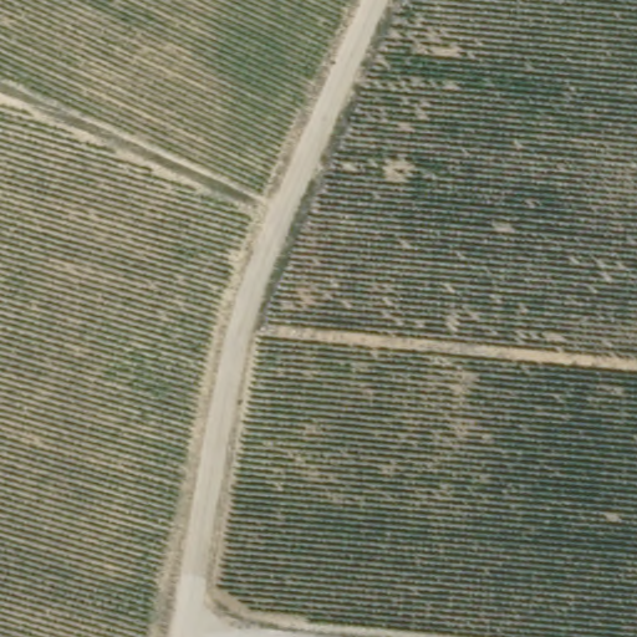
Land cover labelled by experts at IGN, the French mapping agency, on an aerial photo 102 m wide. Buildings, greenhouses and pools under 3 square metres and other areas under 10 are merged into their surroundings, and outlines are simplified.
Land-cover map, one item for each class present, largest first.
<instances>
[{"label":"vineyard","instance_id":"1","mask_svg":"<svg viewBox=\"0 0 637 637\"><path fill-rule=\"evenodd\" d=\"M358 0H0V637H169L192 500L197 488L199 455L236 294L254 259L256 231L266 219L271 197L279 192L284 174L289 172L294 149L311 114V105L319 100L323 90L326 72L336 60L333 55L338 40L353 17ZM254 323L637 358V0H388L386 12L378 20L366 57L361 62V75L353 85L351 100L341 109L328 137V144L321 154V174L311 177L296 207L286 241L266 281L264 299L259 304ZM219 590L236 597L251 612L291 615L316 625L381 627L450 637H637V371L537 363L450 351L326 343L281 336H264L259 341V358L251 381L246 433L239 455V473L234 485Z\"/></svg>","mask_w":637,"mask_h":637},{"label":"impervious surface","instance_id":"2","mask_svg":"<svg viewBox=\"0 0 637 637\"><path fill-rule=\"evenodd\" d=\"M388 0H358L353 17L338 40L333 55L336 60L326 72L323 90L319 100L311 105V114L294 149L289 172L284 174L279 192L271 197L266 219L256 231L254 259L236 294L199 455L197 488L192 500L169 637H309L256 627H231L226 617H219L214 612V605L207 597L204 575L212 545L214 510L221 490L236 386L244 366L246 341L254 323L259 304L264 299L266 281L286 241L296 207L311 177L321 174V154L328 144V137L341 109L351 100L353 85L361 75V62L366 57L378 20L386 12Z\"/></svg>","mask_w":637,"mask_h":637},{"label":"pervious surface","instance_id":"3","mask_svg":"<svg viewBox=\"0 0 637 637\"><path fill-rule=\"evenodd\" d=\"M264 336H281L326 343L450 351L537 363L637 371V358L254 323L246 341L244 366L236 386L221 490L214 510L212 545L204 575L207 597L214 605V612L219 617H226L231 627H256L309 637H450L381 627L316 625L291 615L251 612L236 597L219 590L234 485L239 473V455L246 433L251 381L259 358V341Z\"/></svg>","mask_w":637,"mask_h":637}]
</instances>
